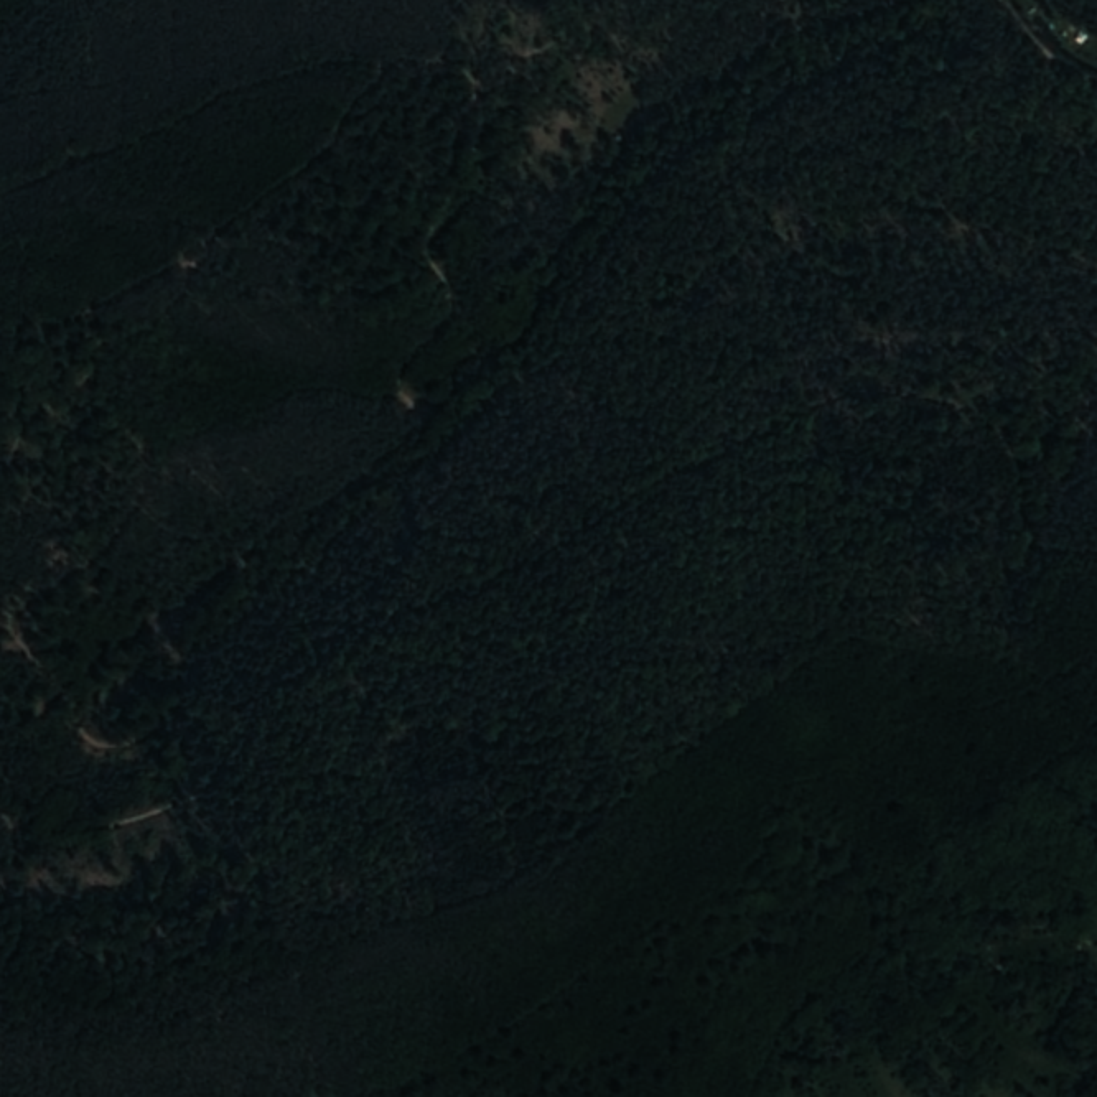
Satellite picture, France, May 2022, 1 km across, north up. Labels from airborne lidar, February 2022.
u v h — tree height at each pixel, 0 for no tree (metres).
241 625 30
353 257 27
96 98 20
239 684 30
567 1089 14
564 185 35
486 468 25
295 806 28
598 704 28
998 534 34
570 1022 13
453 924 17
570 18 24
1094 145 29
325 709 27
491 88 24
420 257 25
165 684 13
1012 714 16
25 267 11
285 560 31
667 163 29
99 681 31
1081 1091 15
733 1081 21
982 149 27
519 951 16
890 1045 16
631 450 32
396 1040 20
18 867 25
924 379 23
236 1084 19
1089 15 27
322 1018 16
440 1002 18
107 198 14
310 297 21
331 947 20
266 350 21
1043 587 18
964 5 25
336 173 24
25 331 25
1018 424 28
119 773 8
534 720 27
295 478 26
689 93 37
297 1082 19
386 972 19
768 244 32
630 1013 27
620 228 33
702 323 27
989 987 18
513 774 25
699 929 27
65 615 10
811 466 31
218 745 30
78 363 23
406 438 29
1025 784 25
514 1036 13
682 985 16
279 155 0
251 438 20
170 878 10
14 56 25
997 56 22
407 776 8
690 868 18
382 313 21
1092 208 29
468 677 28
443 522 29
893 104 27
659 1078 26
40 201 16
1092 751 24
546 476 30
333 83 18
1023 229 28
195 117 14
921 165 26
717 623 25
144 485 15
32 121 18
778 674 21
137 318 13
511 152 30
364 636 28
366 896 24
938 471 27
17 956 20
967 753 24
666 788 17
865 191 25
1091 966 10
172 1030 18
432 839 21
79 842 11
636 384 30
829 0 12
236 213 10
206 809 23
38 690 23
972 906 19
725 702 26
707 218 26
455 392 29
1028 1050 0
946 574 29
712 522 28
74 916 26
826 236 31
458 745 9
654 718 31
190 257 10
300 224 22
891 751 18
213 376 20
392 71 18
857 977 32
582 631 28
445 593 24
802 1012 30
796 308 28
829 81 35
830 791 16
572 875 18
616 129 0
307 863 31
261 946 16
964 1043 13
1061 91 31
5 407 26
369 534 34
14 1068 18
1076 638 15
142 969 23
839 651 14
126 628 19
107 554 24
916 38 39
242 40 20
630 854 17
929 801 18
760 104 21
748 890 26
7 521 8
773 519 29
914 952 31
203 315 18
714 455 26
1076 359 29
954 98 25
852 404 28
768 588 26
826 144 26
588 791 29
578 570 23
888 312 28
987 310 34
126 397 20
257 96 14
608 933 16
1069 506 23
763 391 24
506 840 22
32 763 13
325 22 20
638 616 25
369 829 25
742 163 33
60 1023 20
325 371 24
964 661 16
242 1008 17
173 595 27
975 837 25
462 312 19
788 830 26
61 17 23
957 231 0
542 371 33
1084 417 29
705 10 29
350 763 23
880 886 18
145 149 15
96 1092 18
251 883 11
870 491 27
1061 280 27
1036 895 30
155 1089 18
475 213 16
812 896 27
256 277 12
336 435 25
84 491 8
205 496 25
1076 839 26
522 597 27
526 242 11
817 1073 9
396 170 23
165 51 20
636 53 31
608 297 28
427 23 23
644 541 28
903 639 20
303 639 5
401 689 27
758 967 21
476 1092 11
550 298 30
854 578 28
